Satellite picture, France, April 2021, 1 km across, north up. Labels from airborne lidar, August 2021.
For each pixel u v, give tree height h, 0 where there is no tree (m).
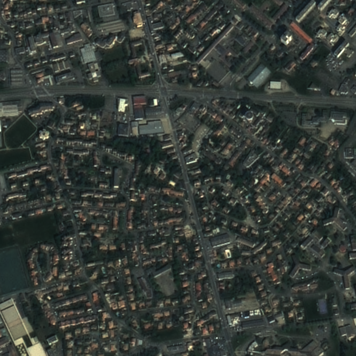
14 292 0
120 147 12
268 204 0
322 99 0
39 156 9
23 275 0
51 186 20
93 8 9
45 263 10
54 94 0
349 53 0
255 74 0
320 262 9
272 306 0
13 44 0
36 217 0
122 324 0
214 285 0
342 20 0
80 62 10
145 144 8
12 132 0
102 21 7
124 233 7
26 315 11
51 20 0
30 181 8
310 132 6
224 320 0
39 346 0
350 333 0
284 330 9
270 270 0
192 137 12
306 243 0
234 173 13
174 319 8
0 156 0
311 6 0
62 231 8
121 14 10
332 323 11
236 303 0
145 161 15
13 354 0
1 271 0
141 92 0
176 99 8
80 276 0
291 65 0
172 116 0
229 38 0
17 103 0
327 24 0
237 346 0
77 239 0
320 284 0
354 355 0
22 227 0
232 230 10
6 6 0
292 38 0
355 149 0
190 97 0
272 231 12
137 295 10
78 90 0
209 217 9
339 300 0
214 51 0
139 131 0
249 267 0
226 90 0
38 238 0
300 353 0
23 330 0
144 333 6
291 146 8
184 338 0
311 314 0
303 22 9
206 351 0
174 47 6
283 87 0
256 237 8
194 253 7
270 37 0
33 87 0
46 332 0
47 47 0
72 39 0
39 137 12
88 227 12
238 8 0
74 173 19
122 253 13
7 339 0
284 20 18
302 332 0
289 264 10
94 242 15
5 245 0
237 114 8
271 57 7
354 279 0
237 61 13
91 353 0
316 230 0
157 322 9
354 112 11
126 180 0
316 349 0
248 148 7
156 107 0
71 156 10
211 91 0
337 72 0
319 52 0
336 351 0
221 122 8
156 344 0
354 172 0
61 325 0
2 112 0
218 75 0
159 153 19
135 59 0
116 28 0
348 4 7
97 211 0
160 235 8
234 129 0
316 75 0
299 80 0
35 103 6
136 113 0
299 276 0
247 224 0
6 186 0
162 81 0
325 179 15
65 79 0
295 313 0
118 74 0
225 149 0
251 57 0
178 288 0
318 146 8
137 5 0
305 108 8
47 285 0
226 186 0
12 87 0
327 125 0
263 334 0
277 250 0
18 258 0
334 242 0
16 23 9
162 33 15
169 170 14
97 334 0
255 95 0
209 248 0
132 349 0
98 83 0
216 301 0
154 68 8
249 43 0
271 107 0
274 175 0
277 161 13
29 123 0
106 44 0
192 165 0
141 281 0
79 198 6
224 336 0
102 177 9
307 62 14
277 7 7
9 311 0
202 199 6
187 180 0
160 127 0
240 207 16
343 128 0
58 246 12
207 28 0
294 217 7
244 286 16
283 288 8
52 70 8
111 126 8
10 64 0
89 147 0
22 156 0
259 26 16
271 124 8
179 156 0
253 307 0
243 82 0
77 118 9
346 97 0
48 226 0
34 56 0
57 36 0
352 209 7
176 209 0
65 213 0
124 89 0
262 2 0
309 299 0
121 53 0
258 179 6
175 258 10
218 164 7
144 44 14
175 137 0
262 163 7
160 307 0
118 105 0
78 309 0
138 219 15
